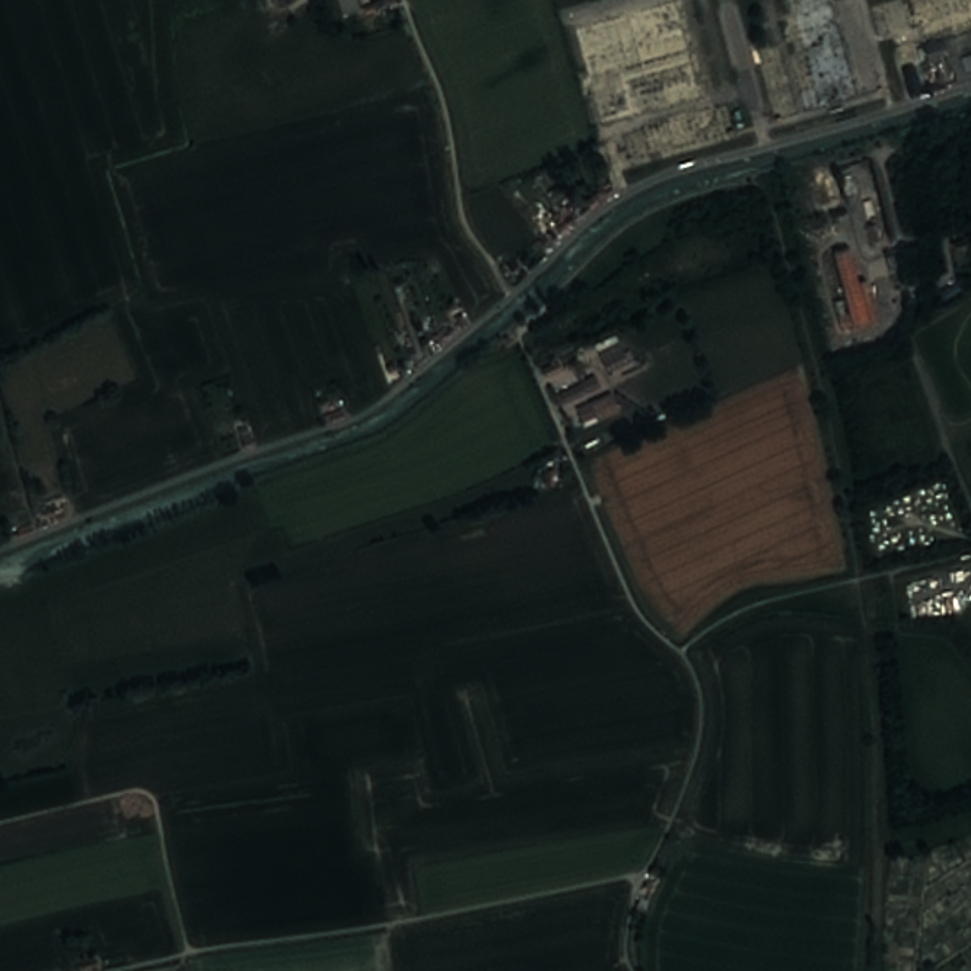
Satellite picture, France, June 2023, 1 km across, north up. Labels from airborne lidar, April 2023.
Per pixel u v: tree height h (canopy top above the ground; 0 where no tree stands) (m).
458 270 0
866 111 0
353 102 0
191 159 0
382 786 0
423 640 0
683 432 0
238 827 0
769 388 0
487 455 0
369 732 0
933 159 22
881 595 0
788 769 0
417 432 0
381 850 0
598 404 0
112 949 0
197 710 0
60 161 0
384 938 0
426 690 0
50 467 0
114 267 0
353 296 0
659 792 0
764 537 0
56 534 0
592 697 0
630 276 0
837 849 0
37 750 0
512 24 0
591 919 0
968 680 0
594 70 0
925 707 0
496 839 0
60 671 0
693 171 0
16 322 0
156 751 0
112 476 0
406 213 0
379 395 0
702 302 0
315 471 0
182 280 0
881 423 0
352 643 0
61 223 0
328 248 0
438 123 0
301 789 0
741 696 0
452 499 0
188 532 0
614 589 0
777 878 0
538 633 0
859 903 0
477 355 11
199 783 0
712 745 0
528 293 0
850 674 0
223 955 0
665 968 0
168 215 0
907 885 0
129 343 0
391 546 0
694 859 0
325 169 0
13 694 0
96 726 0
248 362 0
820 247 0
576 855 0
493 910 0
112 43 0
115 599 0
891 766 12
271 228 0
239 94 0
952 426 0
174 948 0
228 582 0
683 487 0
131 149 0
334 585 0
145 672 0
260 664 0
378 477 0
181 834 0
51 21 0
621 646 0
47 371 0
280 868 0
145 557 0
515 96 0
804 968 0
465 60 0
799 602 0
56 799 0
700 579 0
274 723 0
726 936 0
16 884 0
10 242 0
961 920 0
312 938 0
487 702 0
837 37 0
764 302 0
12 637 0
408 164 0
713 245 0
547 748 0
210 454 0
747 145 0
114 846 0
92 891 0
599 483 0
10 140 0
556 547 0
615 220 0
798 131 0
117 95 0
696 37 0
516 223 0
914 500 0
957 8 0
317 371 0
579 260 0
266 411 0
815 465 0
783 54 0
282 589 0
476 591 0
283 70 0
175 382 0
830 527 0
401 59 0
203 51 0
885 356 12
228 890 0
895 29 0
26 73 0
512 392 0
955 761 0
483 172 0
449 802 0
